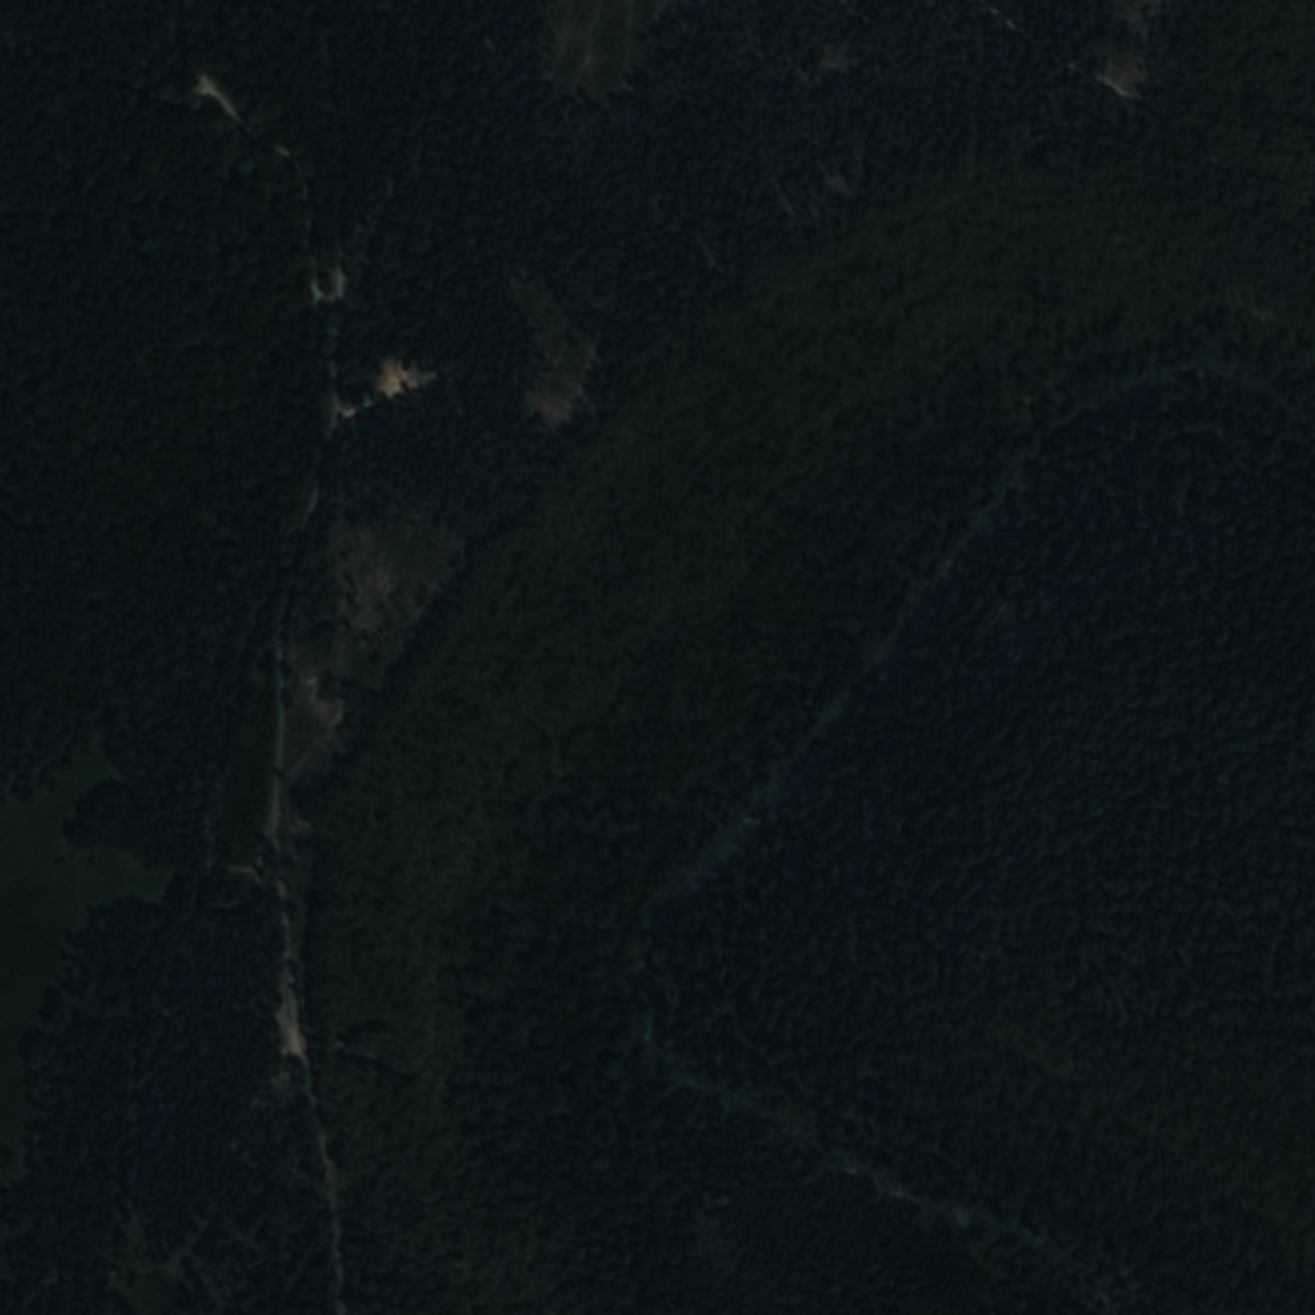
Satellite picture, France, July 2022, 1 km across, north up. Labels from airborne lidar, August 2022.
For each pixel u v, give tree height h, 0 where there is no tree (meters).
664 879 20
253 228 27
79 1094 20
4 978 0
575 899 32
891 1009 27
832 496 26
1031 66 23
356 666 0
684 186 21
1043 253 15
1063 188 15
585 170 24
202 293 23
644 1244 28
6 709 21
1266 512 33
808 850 37
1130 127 18
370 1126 18
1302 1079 15
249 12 29
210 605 26
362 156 20
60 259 22
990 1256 7
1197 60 14
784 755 15
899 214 16
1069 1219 29
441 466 24
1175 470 37
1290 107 18
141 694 26
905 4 25
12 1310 16
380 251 18
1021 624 0
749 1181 20
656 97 23
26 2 27
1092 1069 14
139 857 16
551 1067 23
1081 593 30
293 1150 17
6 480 25
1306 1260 22
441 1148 19
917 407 21
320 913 19
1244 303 17
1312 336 17
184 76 26
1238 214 12
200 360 23
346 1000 21
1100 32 22
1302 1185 10
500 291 23
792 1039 35
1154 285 17
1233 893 16
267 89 23
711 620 23
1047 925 25
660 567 19
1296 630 35
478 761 22
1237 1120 17
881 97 22
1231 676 29
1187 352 21
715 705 19
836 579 25
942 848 31
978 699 23
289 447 20
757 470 16
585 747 25
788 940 18
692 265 12
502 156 22
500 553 21
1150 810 26
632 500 20
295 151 21
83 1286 17
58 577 25
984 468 34
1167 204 12
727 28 25
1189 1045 17
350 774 15
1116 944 18
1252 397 16
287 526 19
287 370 26
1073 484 25
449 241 20
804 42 14
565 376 0
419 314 20
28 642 25
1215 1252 30
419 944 18
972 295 13
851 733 17
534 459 14
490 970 31
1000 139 14
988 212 13
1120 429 22
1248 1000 18
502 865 22
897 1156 12
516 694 17
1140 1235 31
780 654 17
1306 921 21
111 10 27
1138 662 23
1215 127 14
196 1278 28
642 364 13
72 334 26
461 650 21
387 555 0
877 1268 11
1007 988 19
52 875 0
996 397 32
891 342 15
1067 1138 25
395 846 20
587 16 0
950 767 25
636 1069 9
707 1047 20
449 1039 20
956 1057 18
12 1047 0
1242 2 13
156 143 29
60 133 26
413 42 15
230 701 18
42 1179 22
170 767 18
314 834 16
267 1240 22
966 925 28
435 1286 19
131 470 25
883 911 25
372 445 21
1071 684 29
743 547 22
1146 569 31
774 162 20
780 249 14
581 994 30
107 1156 22
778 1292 15
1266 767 26
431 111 21
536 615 17
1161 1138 20
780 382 16
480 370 26
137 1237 0
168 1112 30
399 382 0
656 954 21
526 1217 29
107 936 24
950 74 21
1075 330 17
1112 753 25
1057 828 24
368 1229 14
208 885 8
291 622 12
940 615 27
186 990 31
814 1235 22
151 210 28
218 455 19
